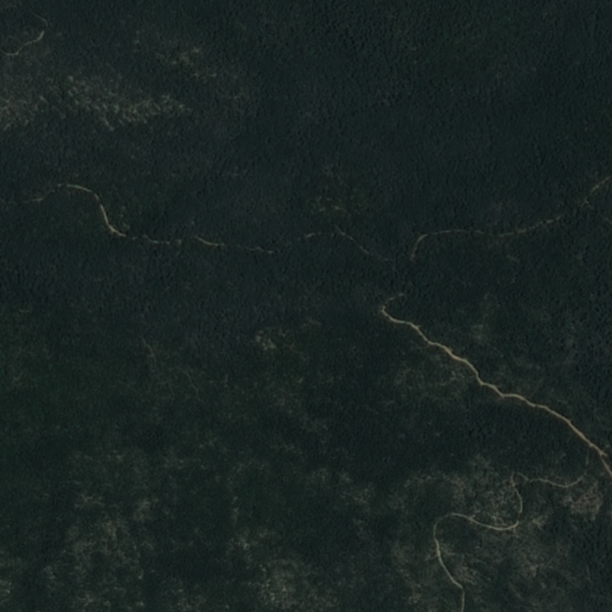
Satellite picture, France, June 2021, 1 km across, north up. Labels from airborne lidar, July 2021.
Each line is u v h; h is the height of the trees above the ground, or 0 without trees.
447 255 8
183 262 9
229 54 11
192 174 9
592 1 12
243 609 7
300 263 7
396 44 8
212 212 8
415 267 14
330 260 11
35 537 6
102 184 10
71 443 6
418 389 6
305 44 12
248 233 10
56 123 7
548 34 13
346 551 6
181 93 9
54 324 6
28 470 6
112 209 8
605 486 9
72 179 8
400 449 8
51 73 7
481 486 7
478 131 12
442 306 11
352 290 12
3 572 6
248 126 12
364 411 7
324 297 7
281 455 7
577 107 10
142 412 5
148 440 7
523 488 10
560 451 8
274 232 8
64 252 7
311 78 7
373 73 8
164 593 6
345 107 14
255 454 7
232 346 6
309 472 8
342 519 7
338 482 7
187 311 9
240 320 8
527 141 9
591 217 7
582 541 6
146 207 9
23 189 9
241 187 7
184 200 10
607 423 6
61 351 6
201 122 7
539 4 12
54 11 8
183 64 9
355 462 7
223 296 11
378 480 6
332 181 7
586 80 9
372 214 8
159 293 6
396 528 6
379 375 8
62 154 8
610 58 11
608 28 9
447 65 13
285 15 7
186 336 6
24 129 7
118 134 7
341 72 9
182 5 9
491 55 8
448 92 14
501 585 6
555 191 7
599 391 8
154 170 9
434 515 6
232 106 8
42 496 8
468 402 9
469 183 8
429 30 14
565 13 14
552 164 9
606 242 16
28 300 12
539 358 9
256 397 7
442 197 8
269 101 11
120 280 7
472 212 9
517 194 10
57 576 5
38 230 9
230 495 7
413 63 9
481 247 7
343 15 9
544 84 11
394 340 7
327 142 13
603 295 14
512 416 9
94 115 10
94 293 6
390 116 12
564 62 14
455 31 8
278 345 7
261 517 7
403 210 9
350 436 8
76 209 6
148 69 7
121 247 12
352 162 9
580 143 7
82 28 7
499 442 7
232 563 6
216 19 14
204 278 9
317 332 6
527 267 11
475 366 7
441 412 7
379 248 9
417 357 7
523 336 5
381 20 11
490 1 10
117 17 10
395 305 7
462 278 7
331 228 7
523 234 7
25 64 6
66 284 8
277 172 7
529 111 10
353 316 7
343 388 7
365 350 7
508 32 6
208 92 6
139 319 7
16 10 8
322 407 9
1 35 7
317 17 15
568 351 10
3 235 11
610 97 13
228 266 9
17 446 7
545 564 0
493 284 8
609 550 7
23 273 9
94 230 6
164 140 10
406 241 7
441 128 11
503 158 10
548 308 6
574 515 6
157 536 6
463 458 7
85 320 6
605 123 7
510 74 9
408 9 10
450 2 11
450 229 6
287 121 13
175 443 6
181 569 6
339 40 11
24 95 5
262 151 13
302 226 7
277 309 7
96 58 6
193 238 8
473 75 7
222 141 8
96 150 6
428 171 11
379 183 10
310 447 7
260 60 10
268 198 6
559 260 7
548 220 7
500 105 16
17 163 9
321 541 7
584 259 9
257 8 10
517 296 9
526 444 6
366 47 15
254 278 8
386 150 11
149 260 7
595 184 6
